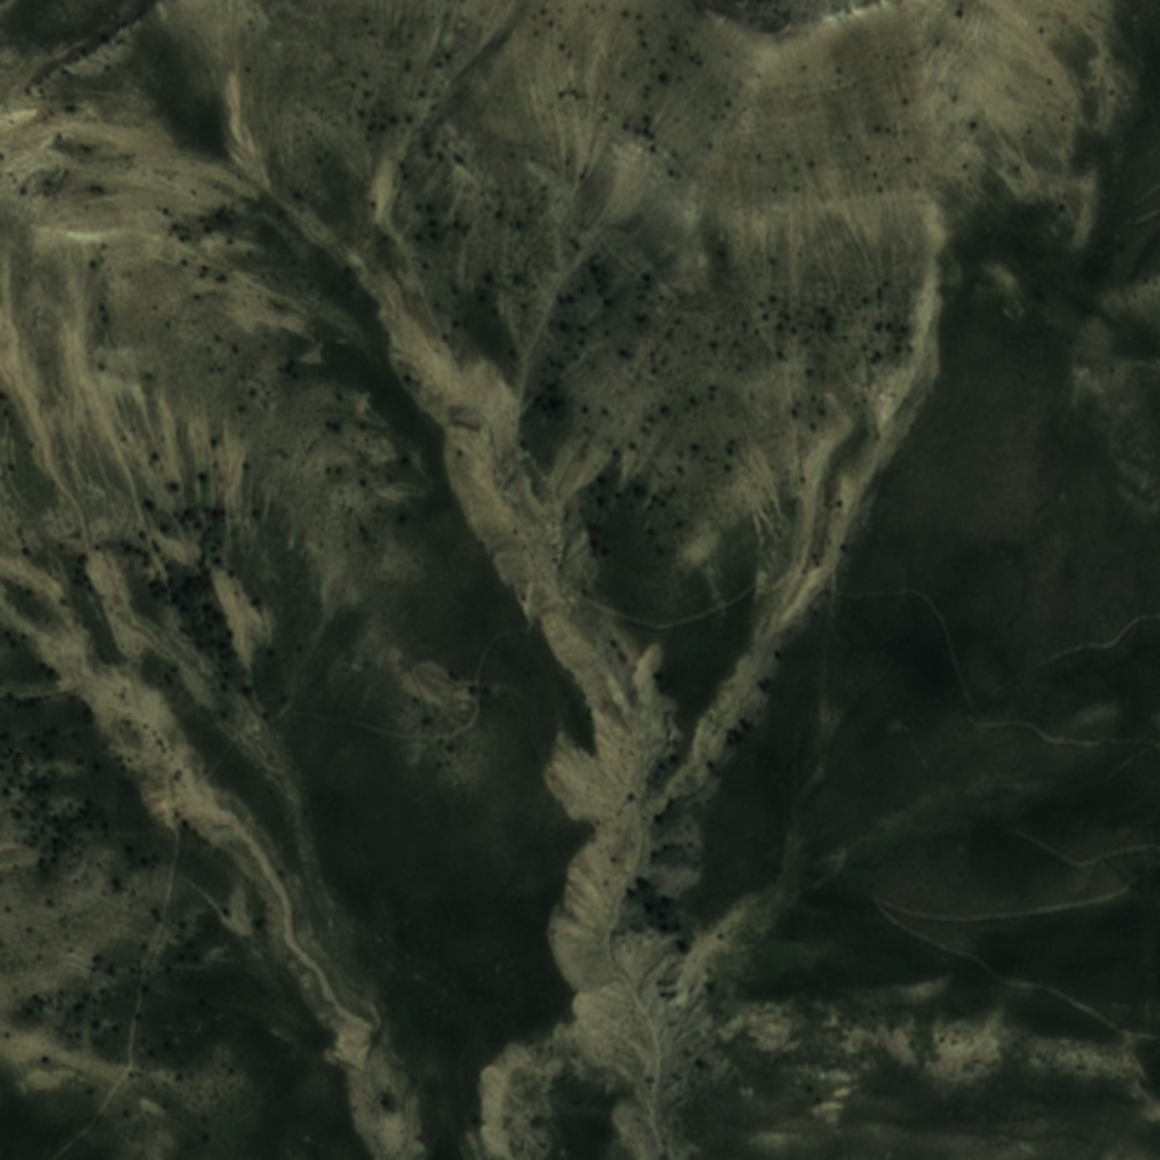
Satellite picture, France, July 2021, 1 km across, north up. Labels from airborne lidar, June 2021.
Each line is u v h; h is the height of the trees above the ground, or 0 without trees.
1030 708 0
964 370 0
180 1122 0
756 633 0
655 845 0
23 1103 0
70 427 0
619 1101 0
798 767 0
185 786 0
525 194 0
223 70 0
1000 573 0
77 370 0
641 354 0
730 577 0
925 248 0
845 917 0
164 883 0
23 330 0
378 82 0
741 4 0
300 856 0
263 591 0
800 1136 0
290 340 0
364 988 0
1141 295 0
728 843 0
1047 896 0
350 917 0
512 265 0
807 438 0
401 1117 0
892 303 0
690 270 0
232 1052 0
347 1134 0
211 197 0
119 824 0
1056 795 0
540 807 0
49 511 0
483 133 0
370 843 0
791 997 0
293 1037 0
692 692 0
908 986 0
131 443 0
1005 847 0
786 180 0
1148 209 0
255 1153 0
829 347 0
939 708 0
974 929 0
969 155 0
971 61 0
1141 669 0
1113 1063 0
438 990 0
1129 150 0
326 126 0
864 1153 0
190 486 0
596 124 0
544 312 0
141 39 0
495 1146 0
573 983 0
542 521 0
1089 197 0
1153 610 0
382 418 0
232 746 0
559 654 0
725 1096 0
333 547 0
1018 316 0
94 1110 0
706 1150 0
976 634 0
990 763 0
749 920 0
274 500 0
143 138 0
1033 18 0
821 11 0
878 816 0
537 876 0
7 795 9
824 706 0
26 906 0
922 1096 0
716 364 0
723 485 0
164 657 0
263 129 0
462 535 0
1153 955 0
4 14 0
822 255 0
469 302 0
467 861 0
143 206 0
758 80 0
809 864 0
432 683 0
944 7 0
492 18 0
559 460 0
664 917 8
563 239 0
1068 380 0
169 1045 6
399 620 0
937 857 0
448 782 0
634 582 0
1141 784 0
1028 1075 0
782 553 0
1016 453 0
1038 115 0
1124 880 0
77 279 0
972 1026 0
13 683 0
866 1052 0
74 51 0
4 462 0
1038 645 0
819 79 0
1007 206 0
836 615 0
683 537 0
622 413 0
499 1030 0
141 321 0
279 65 0
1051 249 0
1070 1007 0
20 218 0
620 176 0
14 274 0
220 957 0
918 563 0
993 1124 0
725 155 0
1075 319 0
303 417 0
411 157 0
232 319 0
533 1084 0
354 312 0
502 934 0
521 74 0
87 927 0
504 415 0
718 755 0
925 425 0
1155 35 0
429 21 0
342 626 0
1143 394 0
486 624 0
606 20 0
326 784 0
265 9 0
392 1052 0
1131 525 0
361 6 0
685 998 0
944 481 0
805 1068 0
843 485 0
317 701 0
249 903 0
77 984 0
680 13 0
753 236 0
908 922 0
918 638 0
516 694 0
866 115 0
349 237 0
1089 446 0
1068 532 0
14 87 0
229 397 0
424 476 0
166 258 0
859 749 0
